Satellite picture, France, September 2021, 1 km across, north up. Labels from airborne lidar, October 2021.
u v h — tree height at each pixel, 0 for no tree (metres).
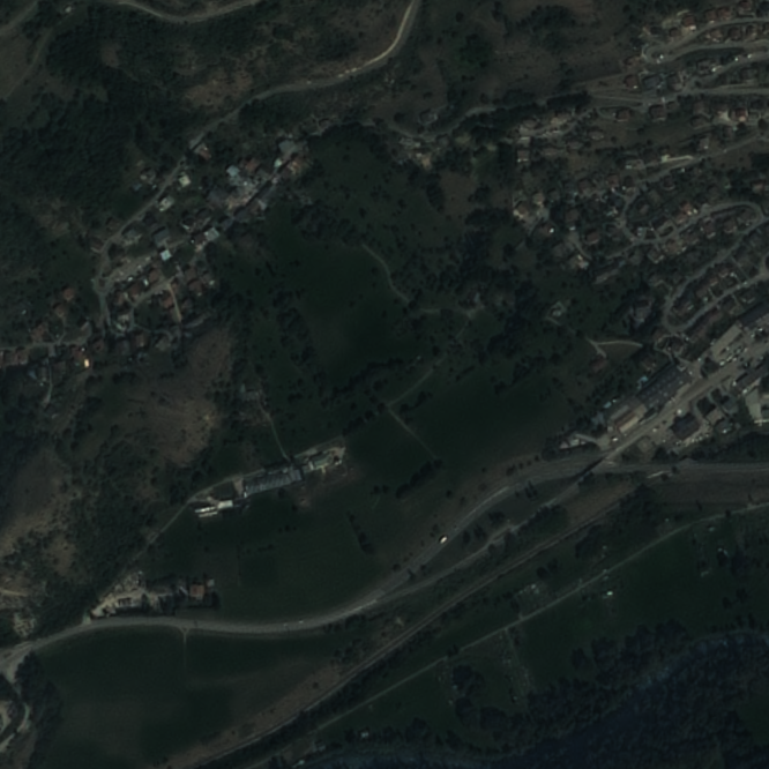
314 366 10
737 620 0
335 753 12
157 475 9
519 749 9
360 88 9
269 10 14
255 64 6
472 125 10
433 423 0
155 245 6
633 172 0
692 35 0
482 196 10
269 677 0
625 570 0
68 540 11
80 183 24
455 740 0
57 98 13
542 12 13
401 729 0
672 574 0
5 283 8
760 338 8
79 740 0
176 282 6
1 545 0
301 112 8
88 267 0
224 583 0
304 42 6
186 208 0
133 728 0
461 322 0
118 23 12
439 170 9
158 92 12
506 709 0
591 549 21
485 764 0
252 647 0
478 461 0
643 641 17
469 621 0
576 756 10
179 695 0
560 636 0
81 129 13
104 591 13
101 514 13
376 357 0
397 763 0
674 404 0
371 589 0
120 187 16
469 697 24
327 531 0
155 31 10
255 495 0
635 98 0
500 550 7
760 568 13
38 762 17
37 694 15
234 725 0
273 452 0
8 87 0
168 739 0
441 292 10
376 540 0
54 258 8
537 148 10
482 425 0
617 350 0
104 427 0
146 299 0
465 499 6
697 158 0
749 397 0
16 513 0
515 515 0
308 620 0
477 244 16
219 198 0
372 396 12
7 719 0
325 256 0
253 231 7
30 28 13
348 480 0
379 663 7
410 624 8
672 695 23
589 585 0
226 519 13
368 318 0
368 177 6
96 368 9
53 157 20
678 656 24
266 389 7
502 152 13
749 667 17
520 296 13
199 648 0
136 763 0
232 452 0
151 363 0
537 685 0
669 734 30
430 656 0
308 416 0
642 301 0
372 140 14
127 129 16
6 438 0
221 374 6
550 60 0
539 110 11
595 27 6
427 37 7
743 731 21
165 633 0
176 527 0
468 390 0
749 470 0
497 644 0
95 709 0
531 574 0
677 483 0
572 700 19
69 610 14
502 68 0
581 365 0
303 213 9
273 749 20
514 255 17
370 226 7
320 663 0
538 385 0
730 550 0
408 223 0
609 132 0
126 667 0
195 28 9
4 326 0
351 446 0
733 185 11
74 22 0
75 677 0
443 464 9
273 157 6
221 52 7
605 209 10
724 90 0
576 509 0
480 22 0
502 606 11
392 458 0
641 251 6
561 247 0
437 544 0
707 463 13
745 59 0
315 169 7
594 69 0
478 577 6
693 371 0
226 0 7
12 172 17
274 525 0
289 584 0
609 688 21
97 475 8
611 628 0
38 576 8
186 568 0
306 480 0
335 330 0
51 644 0
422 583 0
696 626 0
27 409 9
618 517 9
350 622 8
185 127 16
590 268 8
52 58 14
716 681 26
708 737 12
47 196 9
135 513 14
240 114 10
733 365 0
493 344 10
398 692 0
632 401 0
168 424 0
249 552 5
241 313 7
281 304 14
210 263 8
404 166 13
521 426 0
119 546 18
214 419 0
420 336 10
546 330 7
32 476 0
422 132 11
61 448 12
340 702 16
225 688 0
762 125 10
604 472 0
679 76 0
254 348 7
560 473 0
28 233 21
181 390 0
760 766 25
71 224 12
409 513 0
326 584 0
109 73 18
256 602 0
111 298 7
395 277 9
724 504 0
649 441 0
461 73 0
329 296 0
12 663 0
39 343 0
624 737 28
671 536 0
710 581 0
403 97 0
